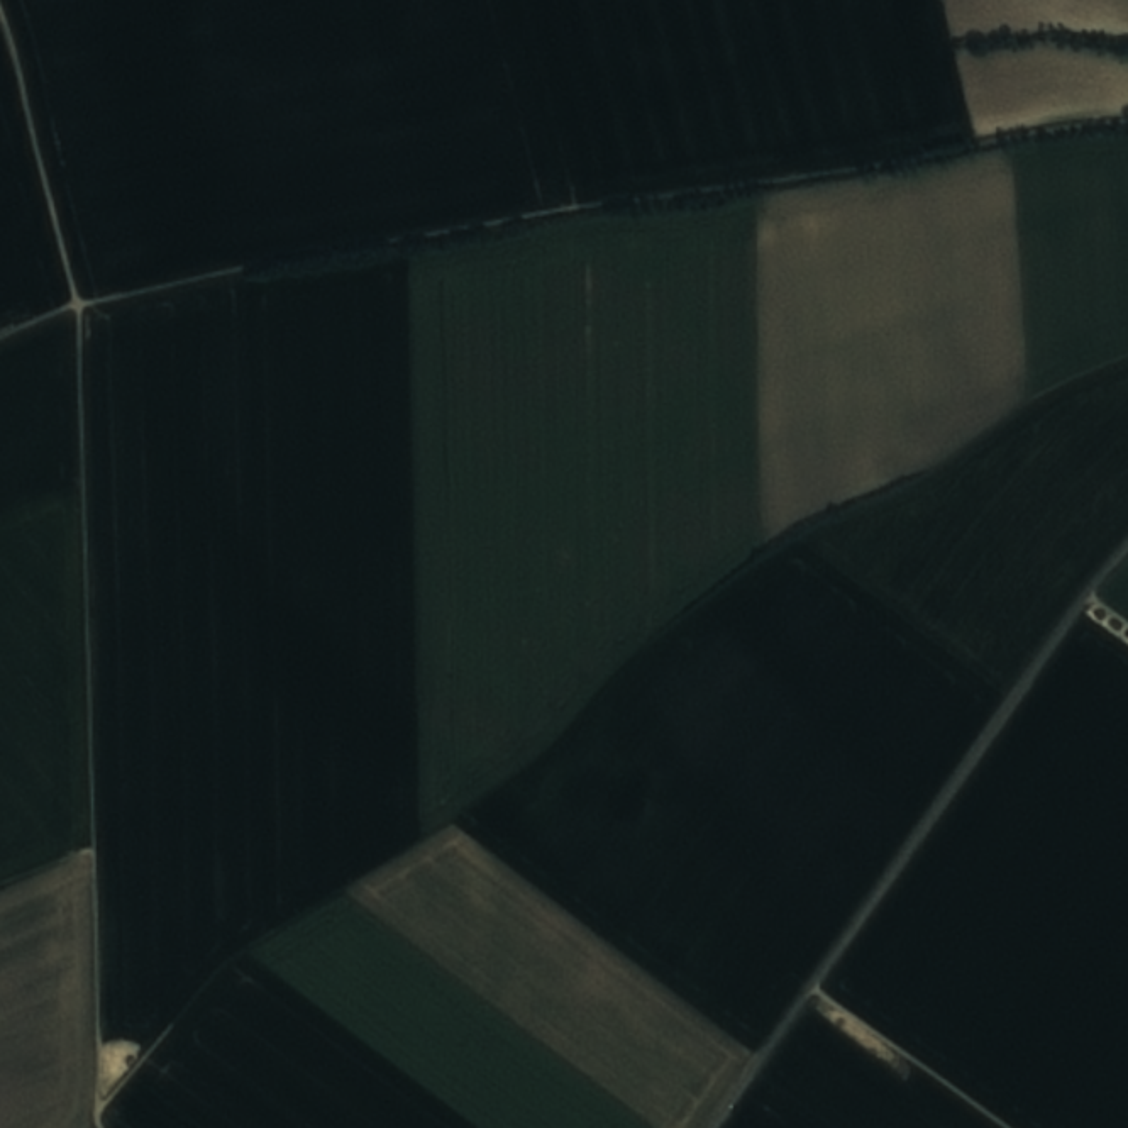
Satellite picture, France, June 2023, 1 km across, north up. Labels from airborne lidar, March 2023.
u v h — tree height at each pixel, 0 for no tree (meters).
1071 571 0
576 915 0
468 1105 0
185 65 0
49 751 0
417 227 0
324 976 0
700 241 0
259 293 0
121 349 0
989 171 0
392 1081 0
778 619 0
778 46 0
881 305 0
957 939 0
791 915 0
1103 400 0
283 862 0
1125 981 0
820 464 0
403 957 0
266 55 0
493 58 0
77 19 0
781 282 0
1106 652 0
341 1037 0
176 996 0
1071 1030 0
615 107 0
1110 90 0
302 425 0
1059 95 0
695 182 0
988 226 0
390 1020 0
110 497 0
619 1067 0
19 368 0
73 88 0
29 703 0
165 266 0
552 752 0
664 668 0
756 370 0
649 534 0
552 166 0
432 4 0
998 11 0
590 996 0
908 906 0
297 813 0
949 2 0
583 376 0
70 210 0
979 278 0
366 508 0
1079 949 0
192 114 0
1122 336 0
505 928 0
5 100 0
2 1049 0
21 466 0
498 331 0
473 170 0
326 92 0
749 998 0
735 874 0
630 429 0
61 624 0
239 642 0
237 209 0
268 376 0
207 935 0
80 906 0
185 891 0
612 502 0
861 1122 0
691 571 0
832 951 0
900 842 0
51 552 0
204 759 0
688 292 0
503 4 0
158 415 0
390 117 0
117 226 0
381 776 0
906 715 0
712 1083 0
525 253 0
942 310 0
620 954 0
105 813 0
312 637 0
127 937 0
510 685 0
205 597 0
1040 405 0
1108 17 0
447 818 0
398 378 0
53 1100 0
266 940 0
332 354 0
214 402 0
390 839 0
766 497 0
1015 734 0
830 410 0
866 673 0
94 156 0
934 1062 0
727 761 0
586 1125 0
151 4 0
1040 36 9
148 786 0
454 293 0
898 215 0
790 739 0
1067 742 0
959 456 0
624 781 0
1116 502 0
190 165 0
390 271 0
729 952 0
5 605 0
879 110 0
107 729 0
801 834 0
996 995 0
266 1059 0
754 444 0
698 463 0
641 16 0
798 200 0
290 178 0
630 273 0
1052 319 0
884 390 0
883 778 0
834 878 0
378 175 0
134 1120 0
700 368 0
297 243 0
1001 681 0
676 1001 0
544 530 0
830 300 0
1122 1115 0
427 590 0
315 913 0
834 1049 0
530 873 0
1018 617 0
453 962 0
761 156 0
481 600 0
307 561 0
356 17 0
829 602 0
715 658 0
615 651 0
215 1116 0
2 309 0
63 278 0
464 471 0
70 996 0
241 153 0
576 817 0
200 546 0
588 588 0
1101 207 0
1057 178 0
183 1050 0
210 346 0
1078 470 0
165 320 0
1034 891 0
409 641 0
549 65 0
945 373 0
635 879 0
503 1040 0
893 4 0
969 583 0
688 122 0
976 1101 0
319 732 0
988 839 0
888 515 0
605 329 0
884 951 0
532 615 0
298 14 0
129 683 0
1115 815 0
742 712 0
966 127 0
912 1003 0
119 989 0
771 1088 0
